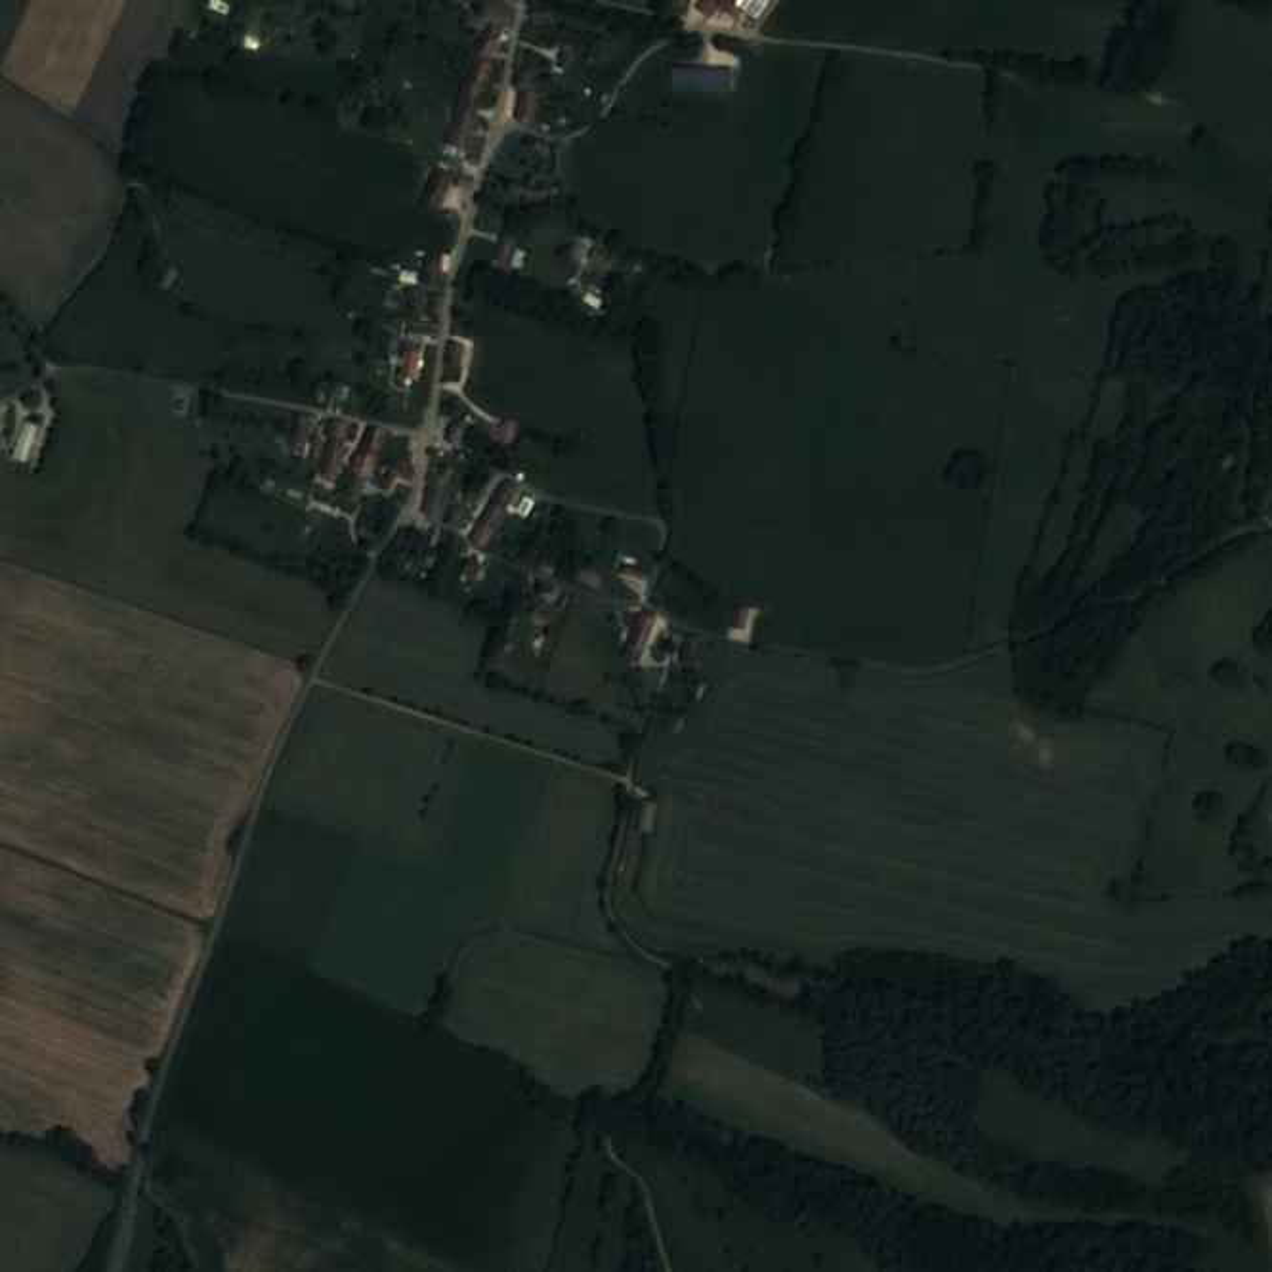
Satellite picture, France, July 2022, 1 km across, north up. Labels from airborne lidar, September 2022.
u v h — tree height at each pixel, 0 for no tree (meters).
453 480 6
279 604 0
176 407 0
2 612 0
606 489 0
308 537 0
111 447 0
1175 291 16
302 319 0
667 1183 0
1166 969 0
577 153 0
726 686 0
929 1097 9
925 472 0
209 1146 0
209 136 0
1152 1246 17
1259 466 12
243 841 0
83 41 0
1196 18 0
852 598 0
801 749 0
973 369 0
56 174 0
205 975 0
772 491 0
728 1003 0
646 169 0
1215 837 0
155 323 0
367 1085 0
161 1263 9
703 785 0
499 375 0
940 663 0
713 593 10
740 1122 0
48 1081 0
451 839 0
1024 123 0
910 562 0
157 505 0
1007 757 0
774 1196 18
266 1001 0
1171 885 0
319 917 0
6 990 0
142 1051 0
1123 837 0
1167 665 0
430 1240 0
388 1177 0
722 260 0
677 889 0
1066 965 0
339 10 11
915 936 0
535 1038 0
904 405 0
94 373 0
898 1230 16
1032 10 0
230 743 0
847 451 0
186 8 0
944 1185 0
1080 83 17
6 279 0
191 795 0
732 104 0
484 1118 0
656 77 0
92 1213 0
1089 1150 0
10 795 0
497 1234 0
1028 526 0
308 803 0
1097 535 9
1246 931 0
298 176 0
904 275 0
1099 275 9
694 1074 0
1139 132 0
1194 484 7
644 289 15
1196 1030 18
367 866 0
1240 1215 16
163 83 17
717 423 0
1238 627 0
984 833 0
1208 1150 12
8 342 0
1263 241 0
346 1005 0
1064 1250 16
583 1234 0
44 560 0
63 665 0
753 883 0
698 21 0
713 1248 0
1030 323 0
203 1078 0
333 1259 0
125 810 0
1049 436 0
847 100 0
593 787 0
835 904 0
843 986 6
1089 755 0
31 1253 0
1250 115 0
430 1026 12
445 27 0
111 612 0
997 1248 25
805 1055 0
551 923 0
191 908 0
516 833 0
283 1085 0
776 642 0
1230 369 9
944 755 0
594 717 12
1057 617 8
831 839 0
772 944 0
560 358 0
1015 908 0
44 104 0
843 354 0
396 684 0
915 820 0
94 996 0
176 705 0
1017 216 0
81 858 0
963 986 18
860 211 0
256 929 0
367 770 0
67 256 0
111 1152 0
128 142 15
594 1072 0
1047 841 0
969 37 0
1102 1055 8
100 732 0
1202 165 0
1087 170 20
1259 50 0
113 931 0
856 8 0
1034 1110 0
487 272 18
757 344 0
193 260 0
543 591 13
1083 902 0
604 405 0
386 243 0
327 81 0
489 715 0
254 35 0
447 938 0
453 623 0
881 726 0
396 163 0
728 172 0
